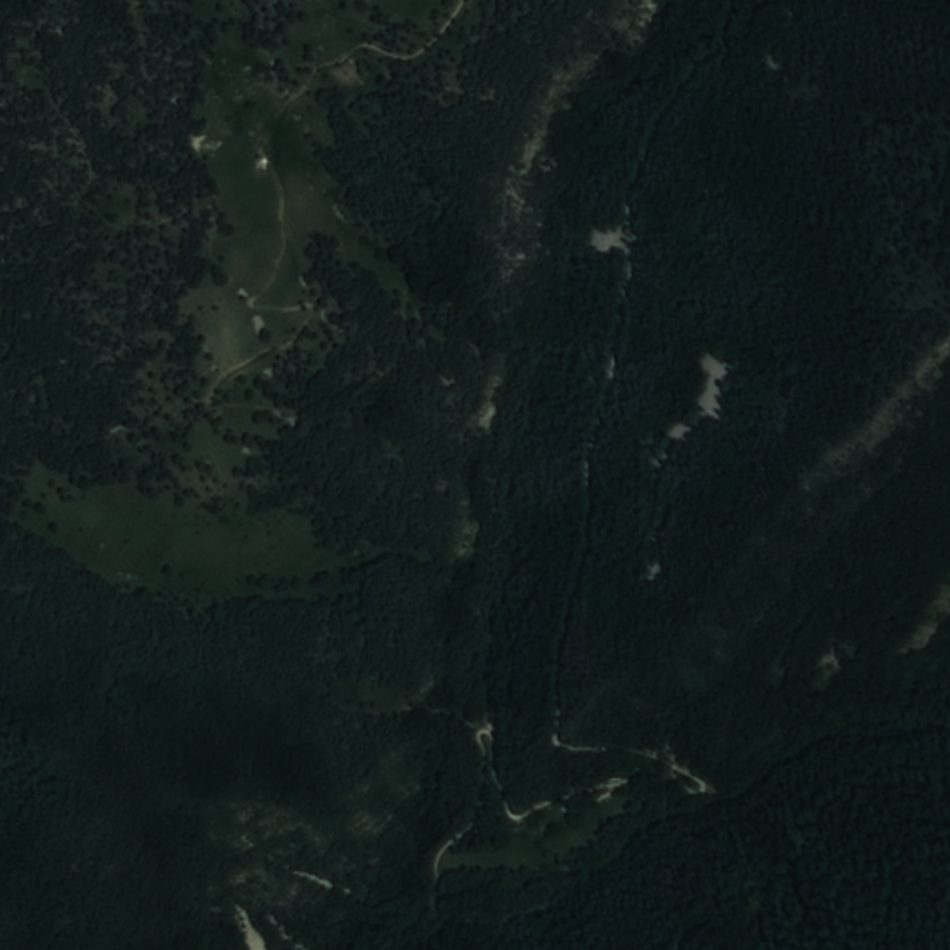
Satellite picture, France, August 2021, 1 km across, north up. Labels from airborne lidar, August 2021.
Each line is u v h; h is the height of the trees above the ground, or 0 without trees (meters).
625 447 12
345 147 11
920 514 15
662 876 17
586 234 10
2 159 9
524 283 8
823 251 14
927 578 15
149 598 11
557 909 13
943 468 14
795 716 24
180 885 7
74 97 9
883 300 11
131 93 7
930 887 13
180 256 6
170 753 11
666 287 14
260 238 0
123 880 10
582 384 13
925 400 8
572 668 12
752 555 11
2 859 18
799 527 10
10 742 20
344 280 13
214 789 14
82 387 8
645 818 13
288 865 7
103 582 12
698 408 10
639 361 13
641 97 10
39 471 0
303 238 0
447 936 20
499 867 7
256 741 13
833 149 11
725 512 16
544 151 6
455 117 15
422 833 17
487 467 13
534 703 14
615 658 12
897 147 7
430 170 14
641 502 13
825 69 12
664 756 6
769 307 17
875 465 9
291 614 11
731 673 10
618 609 15
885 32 10
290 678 11
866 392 11
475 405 6
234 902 10
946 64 14
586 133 14
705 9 16
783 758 17
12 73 6
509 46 17
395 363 13
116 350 6
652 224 17
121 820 11
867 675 14
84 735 11
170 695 11
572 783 13
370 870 14
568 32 10
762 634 13
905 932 13
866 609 18
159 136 10
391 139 14
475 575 14
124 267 10
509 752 11
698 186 17
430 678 6
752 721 15
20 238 9
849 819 12
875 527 10
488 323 12
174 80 8
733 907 11
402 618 13
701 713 23
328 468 12
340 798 9
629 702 10
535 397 14
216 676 11
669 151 13
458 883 12
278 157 0
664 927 18
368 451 10
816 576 15
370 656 11
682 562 18
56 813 10
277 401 9
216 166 0
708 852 20
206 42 8
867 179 10
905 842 12
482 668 14
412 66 8
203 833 10
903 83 9
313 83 0
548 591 16
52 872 9
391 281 0
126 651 12
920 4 17
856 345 9
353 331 10
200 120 6
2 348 13
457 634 12
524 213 5
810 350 12
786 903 6
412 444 18
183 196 9
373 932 12
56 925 13
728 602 10
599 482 12
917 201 10
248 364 0
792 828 7
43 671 12
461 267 16
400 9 0
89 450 14
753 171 17
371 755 14
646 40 7
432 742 11
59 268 6
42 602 14
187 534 0
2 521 14
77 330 8
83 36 9
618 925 17
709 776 11
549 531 16
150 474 13
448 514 10
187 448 8
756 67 15
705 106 11
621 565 16
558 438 14
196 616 10
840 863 15
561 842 0
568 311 16
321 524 12
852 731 14
